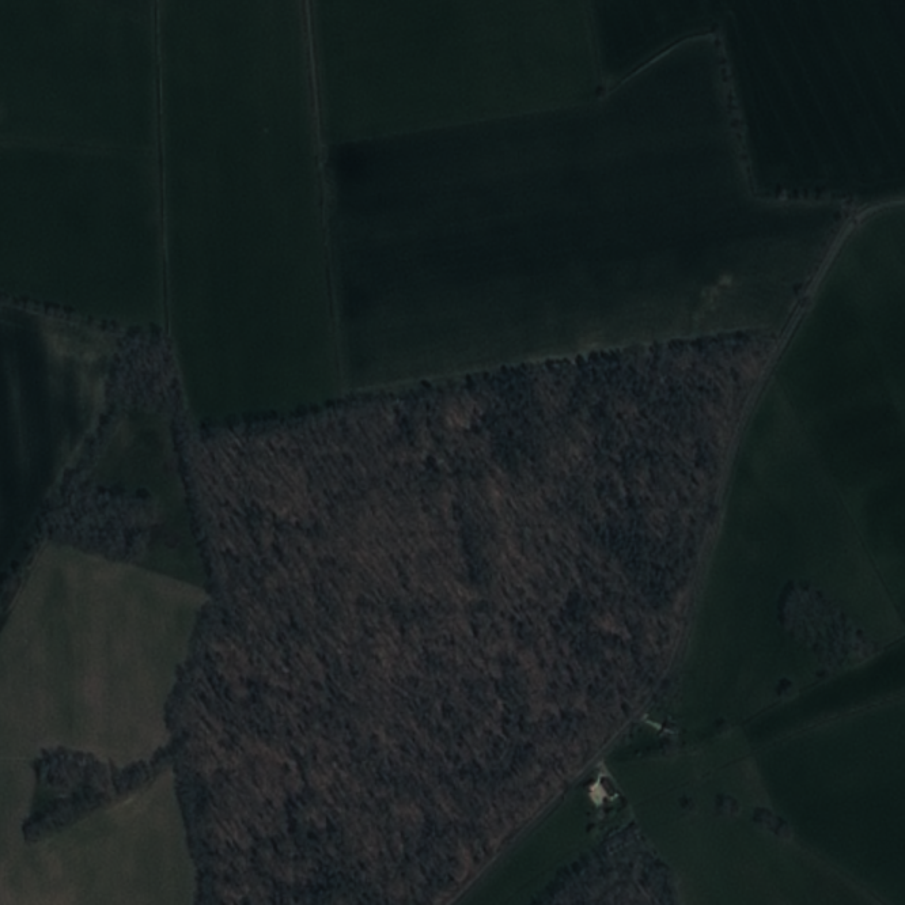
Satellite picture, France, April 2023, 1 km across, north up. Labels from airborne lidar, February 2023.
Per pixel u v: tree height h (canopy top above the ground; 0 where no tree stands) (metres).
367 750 29
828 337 0
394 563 23
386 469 25
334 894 23
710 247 0
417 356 0
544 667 27
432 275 0
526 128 0
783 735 0
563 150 0
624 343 0
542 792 21
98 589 0
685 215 0
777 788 0
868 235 0
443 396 12
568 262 0
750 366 24
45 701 0
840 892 0
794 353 0
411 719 29
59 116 0
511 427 26
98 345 0
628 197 0
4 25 0
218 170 0
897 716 0
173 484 0
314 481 27
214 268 0
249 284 0
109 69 0
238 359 0
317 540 26
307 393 0
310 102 0
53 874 0
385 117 0
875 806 0
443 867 28
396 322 0
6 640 0
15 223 0
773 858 0
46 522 19
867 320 0
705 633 0
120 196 0
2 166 0
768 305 0
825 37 0
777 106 0
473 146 0
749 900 0
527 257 0
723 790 0
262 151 0
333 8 0
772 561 0
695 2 0
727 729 14
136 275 0
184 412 20
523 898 0
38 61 0
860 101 0
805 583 0
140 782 22
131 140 0
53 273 0
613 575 27
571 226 0
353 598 26
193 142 0
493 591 22
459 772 27
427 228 0
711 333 0
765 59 0
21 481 0
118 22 0
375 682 28
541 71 0
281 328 0
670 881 24
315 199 0
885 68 0
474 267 0
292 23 0
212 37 0
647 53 0
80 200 0
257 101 0
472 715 28
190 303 0
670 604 23
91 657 0
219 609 20
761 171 0
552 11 0
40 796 0
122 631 0
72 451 0
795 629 17
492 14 0
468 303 0
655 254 0
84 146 0
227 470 30
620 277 0
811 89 0
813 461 0
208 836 24
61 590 0
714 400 22
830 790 0
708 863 0
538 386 25
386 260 0
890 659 0
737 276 0
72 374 0
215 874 21
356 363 0
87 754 0
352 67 0
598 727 23
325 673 28
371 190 0
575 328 0
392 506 24
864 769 0
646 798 0
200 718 25
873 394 0
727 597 0
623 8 0
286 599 27
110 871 0
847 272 0
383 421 24
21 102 0
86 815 19
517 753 17
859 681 0
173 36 0
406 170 0
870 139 0
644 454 23
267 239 0
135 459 0
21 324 0
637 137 0
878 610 0
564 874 0
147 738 0
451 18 0
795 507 0
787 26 0
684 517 20
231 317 0
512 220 0
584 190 0
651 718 0
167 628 0
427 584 22
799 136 0
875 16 0
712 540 0
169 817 0
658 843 0
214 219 0
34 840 15
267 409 0
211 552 27
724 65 11
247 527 25
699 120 0
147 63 0
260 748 29
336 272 0
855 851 0
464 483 21
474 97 0
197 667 19
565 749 28
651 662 20
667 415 25
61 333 0
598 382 23
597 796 0
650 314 0
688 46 0
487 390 18
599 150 0
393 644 31
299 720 7
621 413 21
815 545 0
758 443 0
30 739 0
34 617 0
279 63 0
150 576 0
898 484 0
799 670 0
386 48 0
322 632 28
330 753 29
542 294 0
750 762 0
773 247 0
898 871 0
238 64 0
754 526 0
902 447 0
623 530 28
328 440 24
